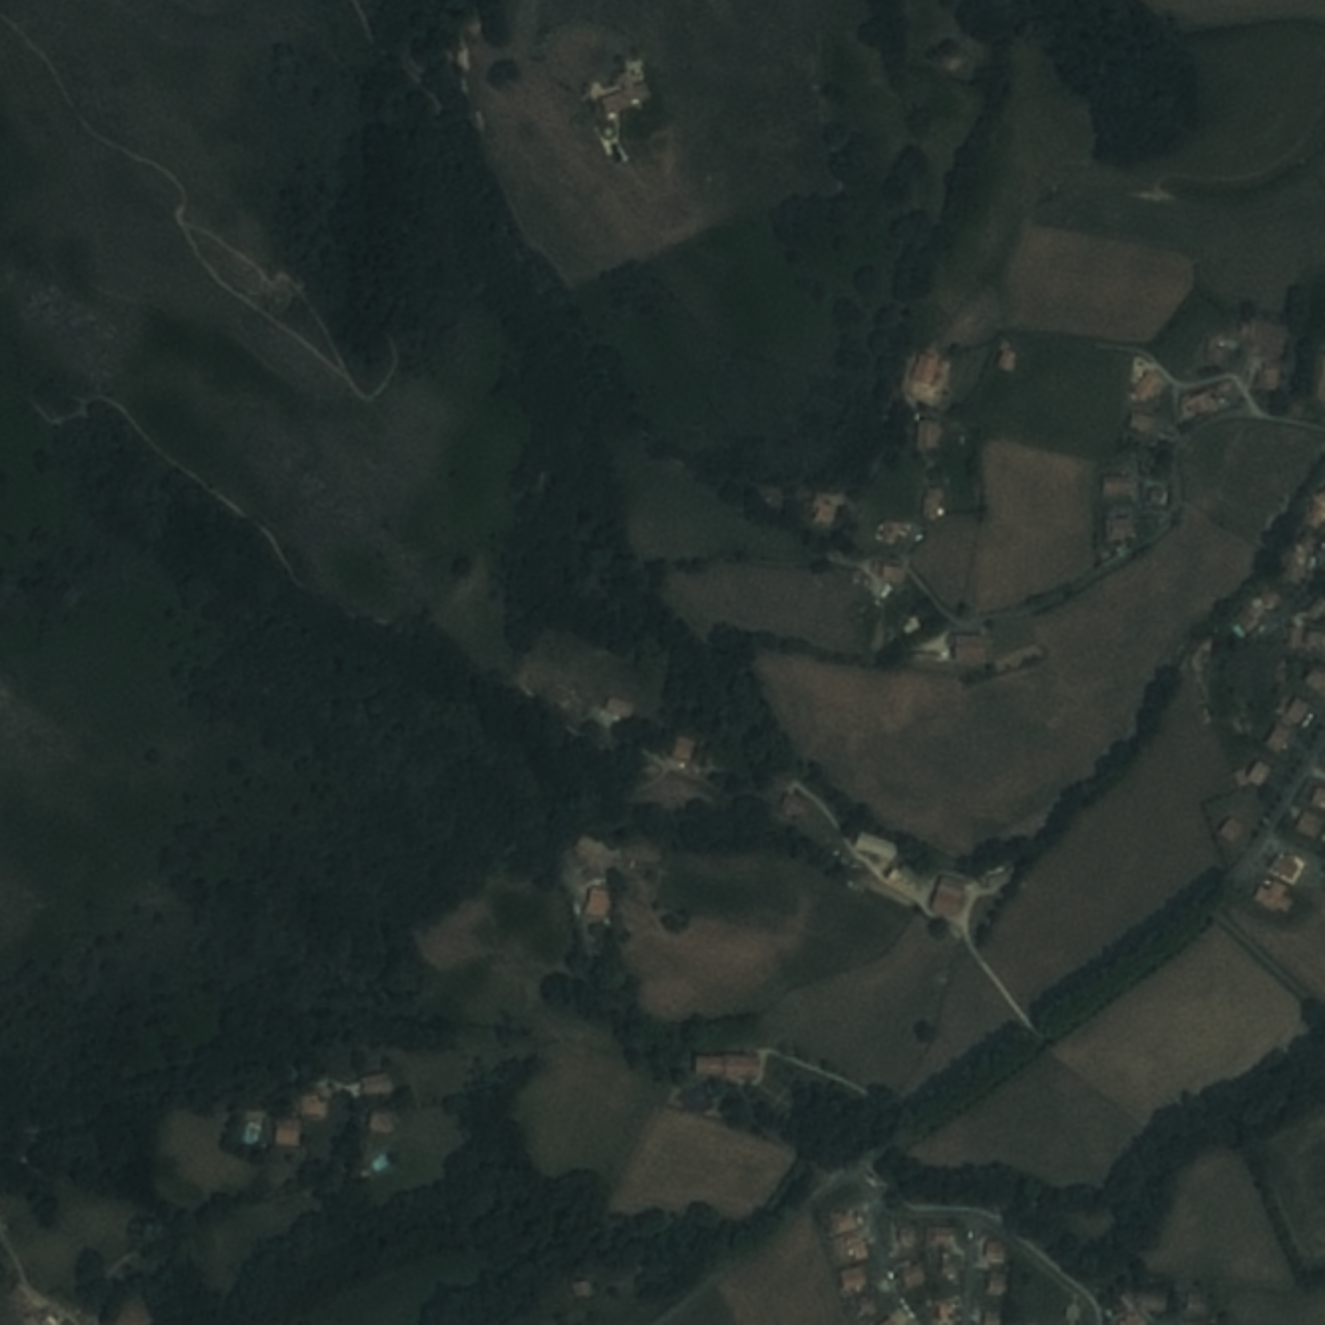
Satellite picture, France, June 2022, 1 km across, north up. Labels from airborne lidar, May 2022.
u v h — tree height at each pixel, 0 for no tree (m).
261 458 0
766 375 0
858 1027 0
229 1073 15
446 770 12
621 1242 20
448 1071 0
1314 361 19
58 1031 7
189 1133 0
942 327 0
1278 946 0
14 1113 16
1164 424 0
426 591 0
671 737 14
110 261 0
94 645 0
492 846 18
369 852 11
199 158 0
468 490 0
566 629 16
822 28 0
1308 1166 0
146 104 0
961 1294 0
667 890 0
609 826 25
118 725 0
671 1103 0
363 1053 6
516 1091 12
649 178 0
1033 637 0
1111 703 0
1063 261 0
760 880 0
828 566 9
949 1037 0
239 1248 0
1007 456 0
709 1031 13
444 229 10
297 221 8
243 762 9
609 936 9
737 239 0
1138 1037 0
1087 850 0
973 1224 0
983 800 0
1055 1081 0
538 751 16
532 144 0
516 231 10
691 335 0
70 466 7
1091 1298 0
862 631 0
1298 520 9
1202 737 0
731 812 10
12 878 0
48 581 7
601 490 26
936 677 0
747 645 18
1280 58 0
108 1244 0
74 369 0
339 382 0
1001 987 0
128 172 0
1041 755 0
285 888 17
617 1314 0
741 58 0
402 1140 0
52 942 0
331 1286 20
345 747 8
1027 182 0
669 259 0
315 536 0
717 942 0
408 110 14
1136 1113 0
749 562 6
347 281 7
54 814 0
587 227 0
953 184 11
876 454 15
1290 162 0
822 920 0
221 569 21
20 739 0
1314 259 0
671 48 0
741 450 11
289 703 12
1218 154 0
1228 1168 0
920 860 21
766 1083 0
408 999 16
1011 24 8
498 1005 0
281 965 10
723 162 0
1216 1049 0
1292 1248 7
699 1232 20
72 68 0
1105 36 7
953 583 0
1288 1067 21
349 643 13
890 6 18
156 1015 9
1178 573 0
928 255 12
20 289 0
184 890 14
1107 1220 0
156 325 0
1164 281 0
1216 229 0
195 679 11
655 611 11
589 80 0
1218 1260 0
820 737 0
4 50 0
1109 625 0
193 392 0
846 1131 21
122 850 0
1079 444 0
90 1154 30
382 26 18
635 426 9
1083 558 0
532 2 0
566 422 21
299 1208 0
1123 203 0
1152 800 0
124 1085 14
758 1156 0
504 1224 26
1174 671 17
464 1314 27
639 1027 22
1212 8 0
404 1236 25
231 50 0
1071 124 0
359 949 26
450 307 15
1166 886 0
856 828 12
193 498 18
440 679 15
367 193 17
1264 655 0
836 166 12
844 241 12
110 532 7
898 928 0
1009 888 10
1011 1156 0
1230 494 0
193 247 0
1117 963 25
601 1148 0
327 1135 0
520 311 16
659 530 0
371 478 0
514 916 0
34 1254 0
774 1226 23
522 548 16
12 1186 17
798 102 0
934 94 0
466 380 0
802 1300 0
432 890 16
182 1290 23
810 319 0
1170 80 22
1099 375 0
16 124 0
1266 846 0
